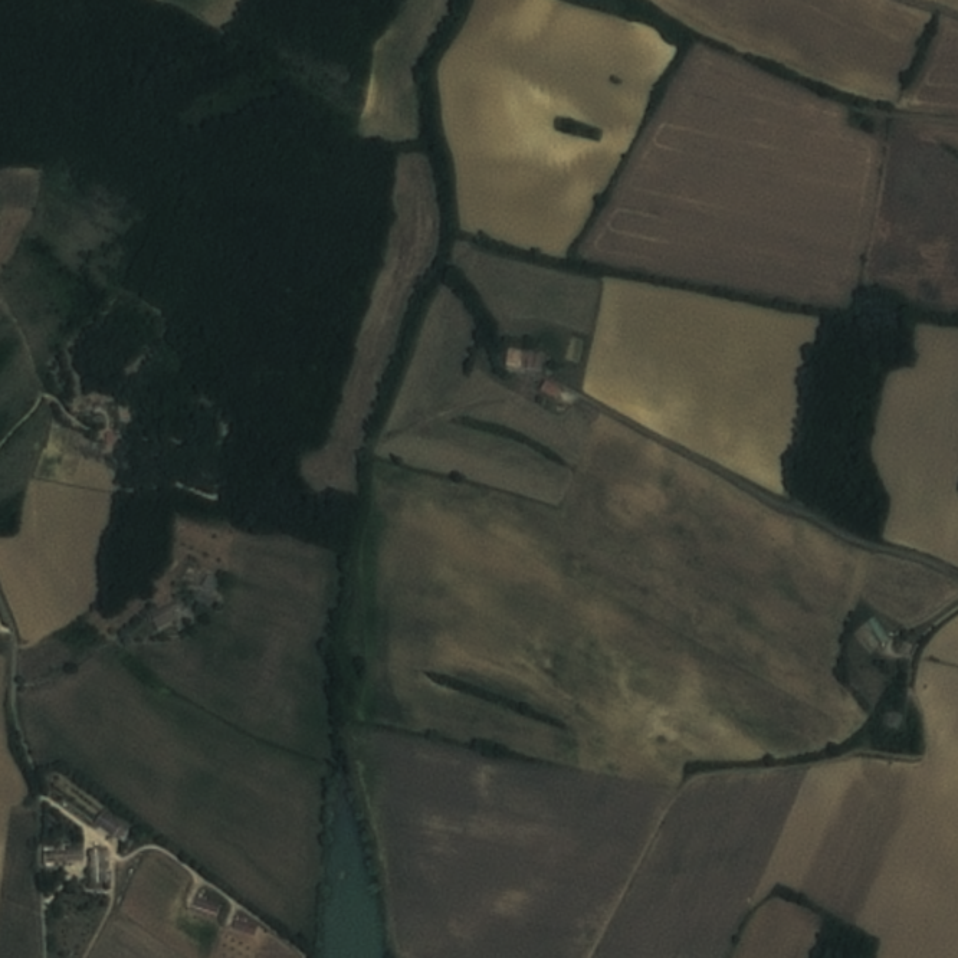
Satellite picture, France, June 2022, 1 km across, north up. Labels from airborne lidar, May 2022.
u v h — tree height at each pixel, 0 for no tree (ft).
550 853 0
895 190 0
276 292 66
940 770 0
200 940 0
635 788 0
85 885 27
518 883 0
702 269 0
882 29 0
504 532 0
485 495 0
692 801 0
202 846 0
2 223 0
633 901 0
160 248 44
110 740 0
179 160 62
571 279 0
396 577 0
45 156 34
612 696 0
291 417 50
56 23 47
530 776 0
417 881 0
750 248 0
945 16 0
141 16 40
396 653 0
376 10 51
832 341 49
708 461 0
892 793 0
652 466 0
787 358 0
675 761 0
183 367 56
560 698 0
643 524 0
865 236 0
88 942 0
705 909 0
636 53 0
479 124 0
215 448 86
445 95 0
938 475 0
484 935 0
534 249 39
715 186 0
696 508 0
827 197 0
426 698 0
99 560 48
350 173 51
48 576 0
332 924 0
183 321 50
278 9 44
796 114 0
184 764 0
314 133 64
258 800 0
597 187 0
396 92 0
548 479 0
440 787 0
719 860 0
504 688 0
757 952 0
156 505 43
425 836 0
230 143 65
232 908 0
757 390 0
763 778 0
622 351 0
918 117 0
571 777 0
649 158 0
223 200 51
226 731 0
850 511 37
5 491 0
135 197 49
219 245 56
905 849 0
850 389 74
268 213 71
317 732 0
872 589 0
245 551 0
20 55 41
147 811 0
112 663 0
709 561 0
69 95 50
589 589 0
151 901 0
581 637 0
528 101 0
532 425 0
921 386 0
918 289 0
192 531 0
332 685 52
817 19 0
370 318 0
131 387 53
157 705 0
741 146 0
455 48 0
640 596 0
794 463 49
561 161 0
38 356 0
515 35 0
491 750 49
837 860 0
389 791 0
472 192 0
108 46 42
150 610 41
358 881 0
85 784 36
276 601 0
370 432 41
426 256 0
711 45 19
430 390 0
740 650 0
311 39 49
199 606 30
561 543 0
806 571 0
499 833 0
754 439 0
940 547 0
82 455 20
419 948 0
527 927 0
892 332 71
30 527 0
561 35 0
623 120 0
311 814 0
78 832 29
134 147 62
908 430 0
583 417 0
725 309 0
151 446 63
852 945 41
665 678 0
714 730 0
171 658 0
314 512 66
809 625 0
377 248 72
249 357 47
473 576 0
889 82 0
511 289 0
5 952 0
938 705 0
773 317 0
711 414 0
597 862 0
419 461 0
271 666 0
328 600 0
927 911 0
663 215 0
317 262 69
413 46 0
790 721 0
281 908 0
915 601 0
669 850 0
